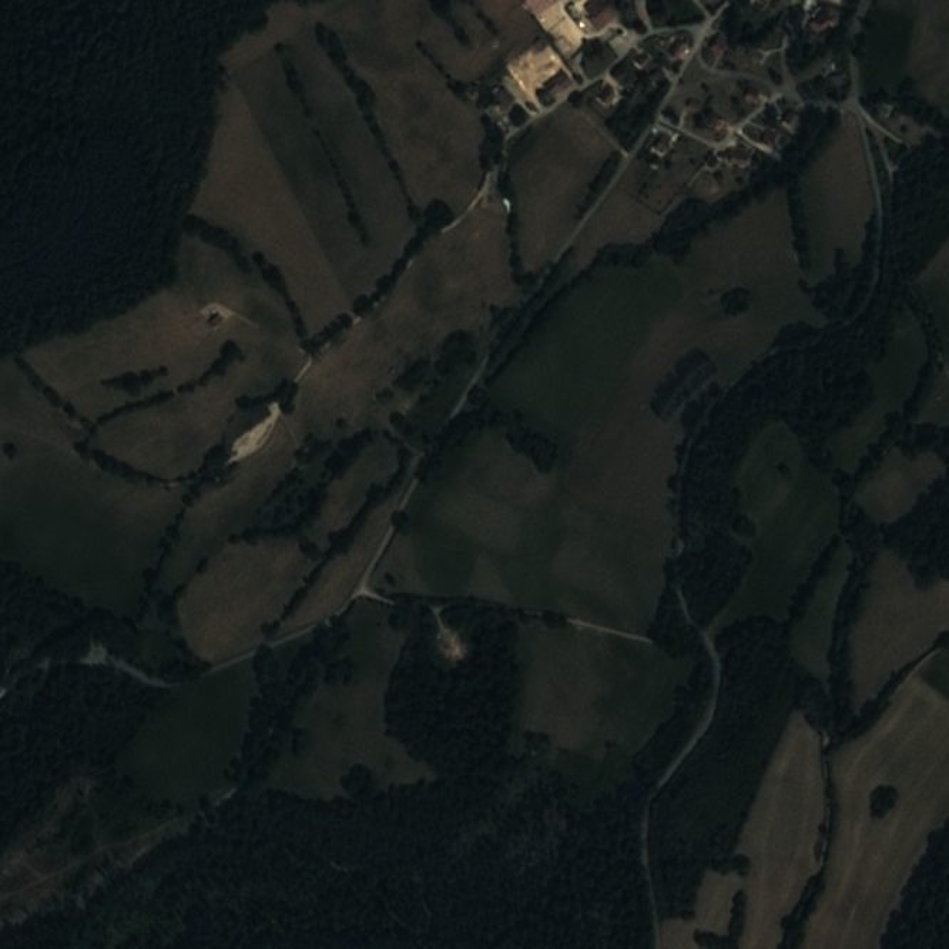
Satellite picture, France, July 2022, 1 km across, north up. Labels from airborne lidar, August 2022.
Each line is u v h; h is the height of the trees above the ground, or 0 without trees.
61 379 0
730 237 0
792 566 0
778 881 0
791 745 0
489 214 0
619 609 0
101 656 0
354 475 0
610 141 0
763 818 0
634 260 12
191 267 0
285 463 0
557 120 0
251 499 0
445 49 0
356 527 10
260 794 22
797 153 16
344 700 0
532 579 0
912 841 0
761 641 22
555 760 0
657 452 0
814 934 0
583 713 0
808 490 0
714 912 0
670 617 16
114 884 23
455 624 11
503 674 21
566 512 0
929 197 9
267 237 0
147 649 0
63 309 23
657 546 0
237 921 25
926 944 21
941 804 0
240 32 16
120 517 0
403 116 0
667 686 0
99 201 25
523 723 0
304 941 32
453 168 0
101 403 0
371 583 0
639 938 20
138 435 0
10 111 23
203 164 17
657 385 0
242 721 0
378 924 8
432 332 0
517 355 7
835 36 15
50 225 25
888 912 0
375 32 0
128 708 22
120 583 0
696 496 25
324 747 0
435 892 34
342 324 14
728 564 22
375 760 0
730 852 11
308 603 0
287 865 26
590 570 0
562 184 0
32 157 27
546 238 0
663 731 7
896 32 0
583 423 0
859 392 24
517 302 0
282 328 0
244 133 0
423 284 0
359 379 0
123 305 16
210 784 0
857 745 0
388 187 0
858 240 0
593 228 0
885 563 0
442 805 27
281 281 17
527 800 12
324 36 17
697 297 0
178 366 0
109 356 0
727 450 20
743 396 11
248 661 0
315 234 0
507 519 0
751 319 0
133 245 23
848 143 0
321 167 0
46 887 0
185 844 26
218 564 0
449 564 0
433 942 30
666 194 0
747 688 11
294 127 0
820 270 0
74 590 0
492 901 36
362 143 0
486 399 11
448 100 0
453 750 22
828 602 0
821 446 19
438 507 0
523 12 0
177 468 0
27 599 23
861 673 0
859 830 0
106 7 27
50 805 7
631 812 21
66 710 21
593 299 0
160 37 24
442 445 19
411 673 20
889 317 18
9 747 30
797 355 22
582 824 34
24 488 0
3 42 15
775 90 0
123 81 15
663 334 0
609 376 0
